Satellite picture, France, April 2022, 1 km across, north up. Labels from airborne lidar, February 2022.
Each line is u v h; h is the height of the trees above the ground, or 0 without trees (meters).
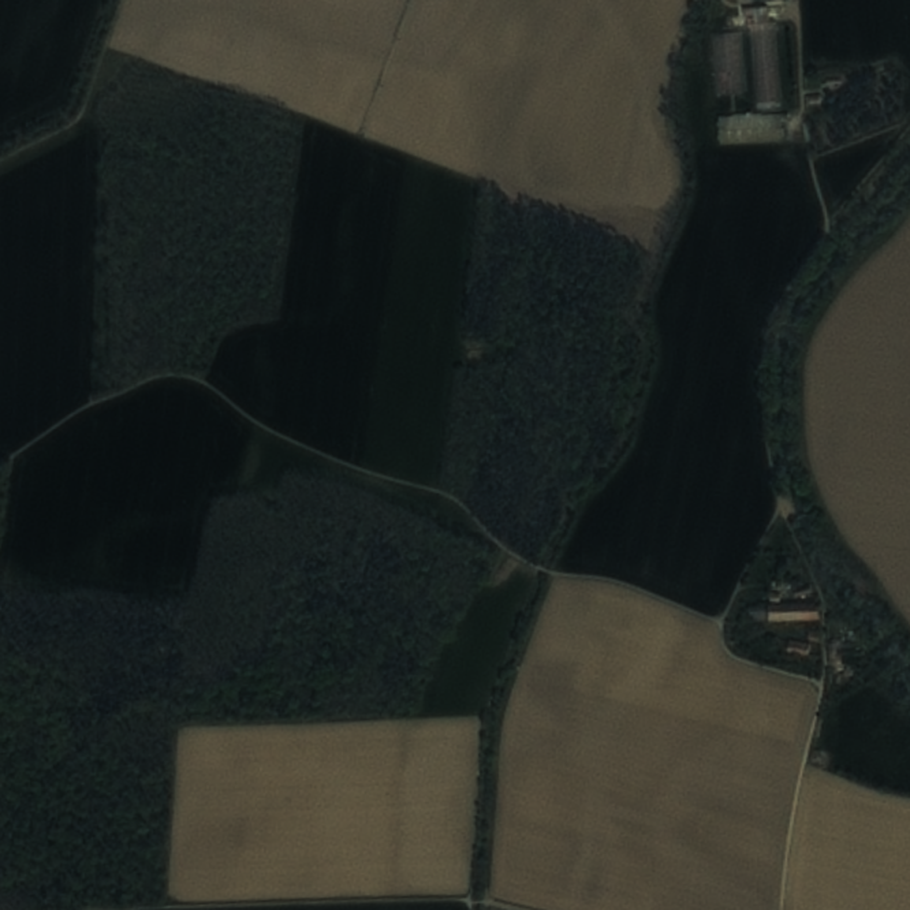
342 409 0
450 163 0
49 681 19
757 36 0
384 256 0
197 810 0
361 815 0
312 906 0
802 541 16
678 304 0
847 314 0
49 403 0
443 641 13
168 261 26
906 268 0
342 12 0
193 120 19
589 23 0
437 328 0
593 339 22
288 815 0
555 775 0
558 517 19
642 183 0
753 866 0
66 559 0
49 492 0
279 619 20
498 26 0
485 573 21
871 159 0
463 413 14
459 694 0
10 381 0
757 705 0
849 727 0
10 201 0
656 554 0
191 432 0
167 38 0
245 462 0
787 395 26
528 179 0
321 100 0
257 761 0
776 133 0
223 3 0
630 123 0
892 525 0
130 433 0
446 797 0
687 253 0
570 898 0
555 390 22
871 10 0
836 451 0
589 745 0
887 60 0
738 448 0
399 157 0
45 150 0
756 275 0
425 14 0
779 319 23
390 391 0
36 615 23
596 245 26
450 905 0
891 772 0
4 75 0
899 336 0
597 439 22
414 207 0
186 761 0
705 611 0
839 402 0
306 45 0
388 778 0
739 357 0
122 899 20
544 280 19
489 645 0
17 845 20
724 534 0
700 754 0
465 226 0
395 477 0
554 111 0
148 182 24
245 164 23
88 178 0
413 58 0
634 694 0
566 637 0
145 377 14
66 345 0
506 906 0
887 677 13
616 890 0
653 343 8
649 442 0
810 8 0
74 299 0
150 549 0
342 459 0
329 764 0
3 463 16
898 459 0
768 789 0
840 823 0
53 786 21
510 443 20
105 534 0
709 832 0
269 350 0
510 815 0
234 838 0
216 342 11
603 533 0
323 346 0
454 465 17
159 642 23
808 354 0
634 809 0
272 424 0
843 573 16
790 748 0
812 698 0
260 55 0
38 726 21
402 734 0
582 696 0
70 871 21
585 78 0
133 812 23
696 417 0
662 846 0
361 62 0
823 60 0
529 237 23
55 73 0
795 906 0
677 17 0
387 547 29
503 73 0
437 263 0
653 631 0
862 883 0
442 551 22
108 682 24
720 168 0
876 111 20
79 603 20
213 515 17
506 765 0
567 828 0
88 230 0
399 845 0
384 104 0
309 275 0
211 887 0
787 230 0
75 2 0
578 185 0
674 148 17
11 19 0
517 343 11
